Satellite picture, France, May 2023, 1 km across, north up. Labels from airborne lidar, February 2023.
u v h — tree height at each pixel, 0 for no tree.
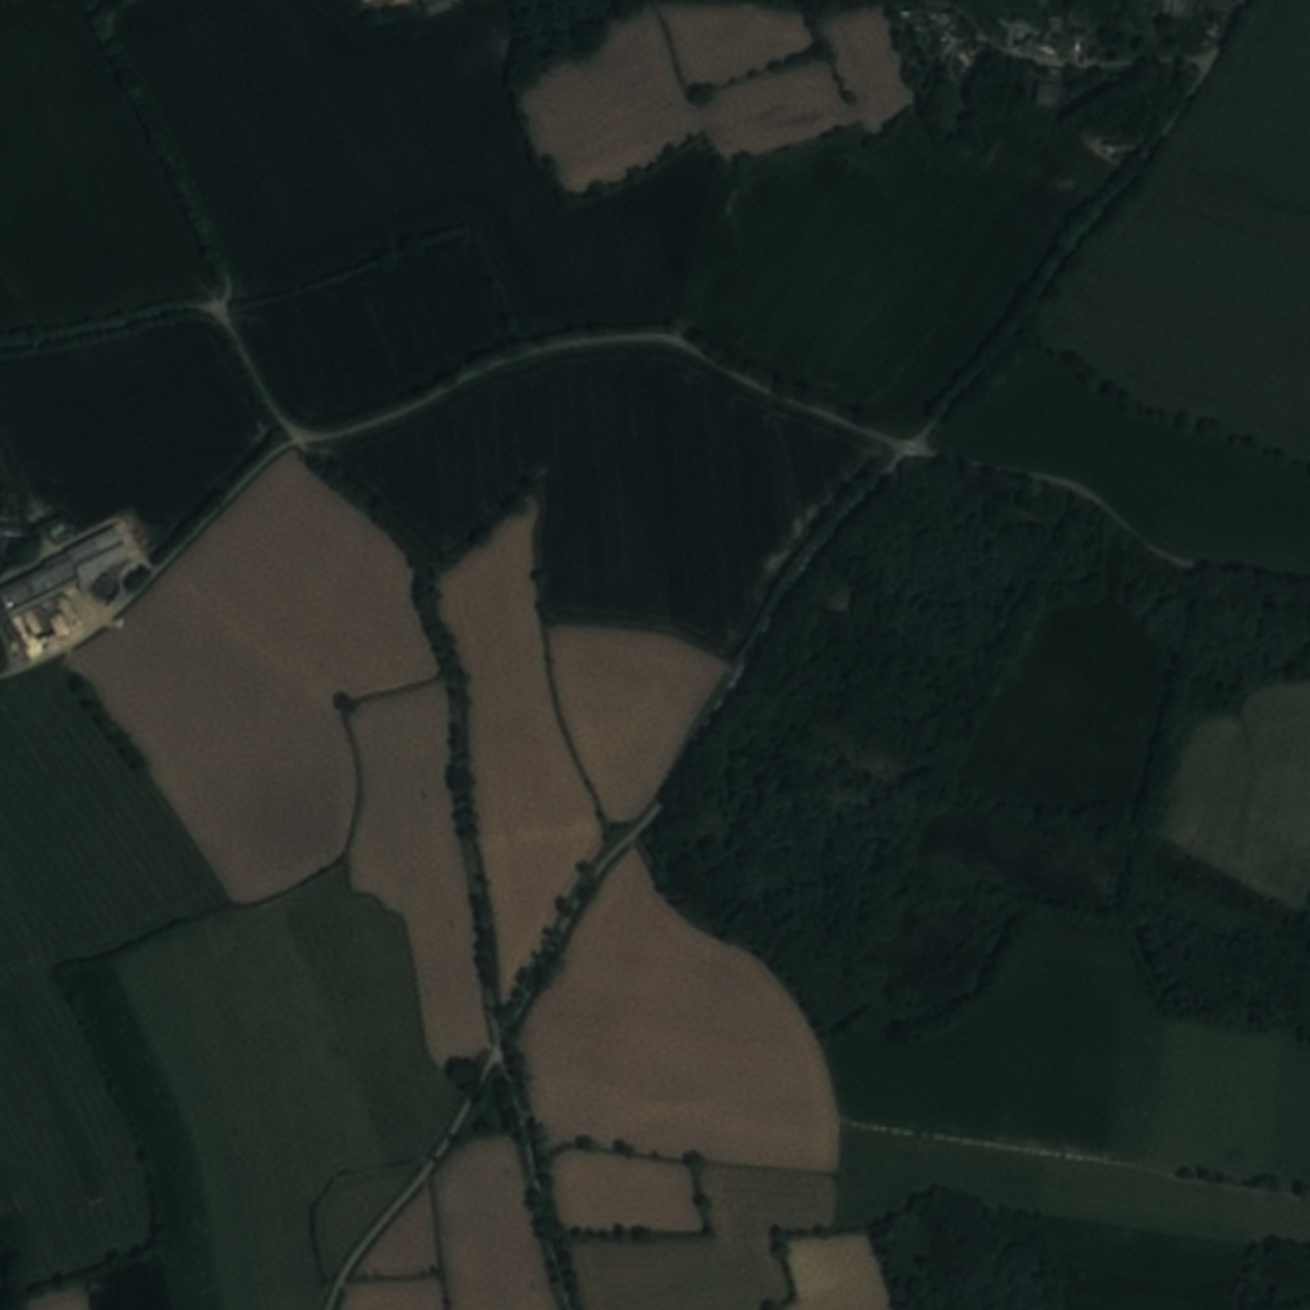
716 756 10
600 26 15
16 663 0
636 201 0
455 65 0
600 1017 0
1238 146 0
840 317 0
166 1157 0
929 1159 0
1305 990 19
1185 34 0
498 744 0
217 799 0
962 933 0
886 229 0
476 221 0
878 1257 20
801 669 8
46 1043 0
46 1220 0
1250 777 0
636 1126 0
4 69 0
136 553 0
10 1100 0
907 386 0
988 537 12
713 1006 0
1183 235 0
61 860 0
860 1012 7
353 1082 0
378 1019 0
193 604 0
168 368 0
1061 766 0
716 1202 0
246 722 0
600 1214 0
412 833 0
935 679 14
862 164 0
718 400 0
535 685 0
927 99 13
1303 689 0
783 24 0
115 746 15
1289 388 0
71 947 0
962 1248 7
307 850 0
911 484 9
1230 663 8
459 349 0
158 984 0
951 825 0
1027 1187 0
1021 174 0
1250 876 0
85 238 0
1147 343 0
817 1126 0
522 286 0
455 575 0
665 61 0
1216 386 0
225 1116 0
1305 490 0
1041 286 9
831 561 15
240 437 0
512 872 0
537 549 0
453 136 0
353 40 0
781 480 0
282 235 0
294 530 0
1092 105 15
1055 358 8
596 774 0
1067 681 0
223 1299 0
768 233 0
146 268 0
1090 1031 0
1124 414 14
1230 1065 0
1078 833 7
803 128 0
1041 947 0
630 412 0
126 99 8
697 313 0
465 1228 0
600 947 0
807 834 10
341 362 0
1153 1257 0
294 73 0
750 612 0
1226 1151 0
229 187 0
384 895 0
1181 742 6
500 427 0
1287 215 0
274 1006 0
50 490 0
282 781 0
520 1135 13
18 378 0
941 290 0
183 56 0
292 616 0
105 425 0
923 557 10
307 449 0
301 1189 0
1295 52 0
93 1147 0
